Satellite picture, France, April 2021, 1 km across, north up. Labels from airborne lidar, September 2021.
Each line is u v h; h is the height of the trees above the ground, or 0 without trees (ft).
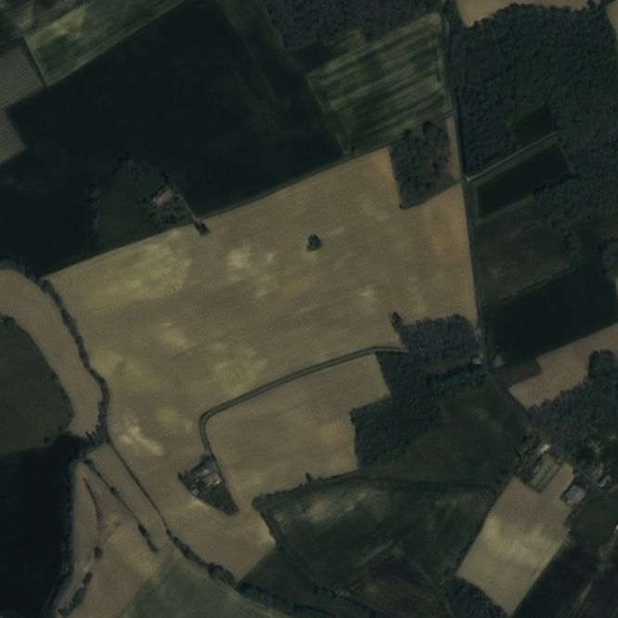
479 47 52
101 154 0
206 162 0
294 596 0
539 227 0
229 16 0
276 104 0
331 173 0
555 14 63
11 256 0
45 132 0
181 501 0
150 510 0
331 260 0
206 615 0
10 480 0
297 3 73
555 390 0
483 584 0
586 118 67
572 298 0
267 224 0
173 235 0
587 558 0
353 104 0
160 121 0
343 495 0
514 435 0
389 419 20
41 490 0
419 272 0
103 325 0
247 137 0
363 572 0
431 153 47
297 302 0
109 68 0
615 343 0
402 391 21
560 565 0
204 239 0
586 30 79
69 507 22
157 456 0
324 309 0
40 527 0
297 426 0
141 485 0
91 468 45
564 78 72
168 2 0
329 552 0
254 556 0
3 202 0
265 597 62
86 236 0
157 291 0
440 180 39
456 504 0
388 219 0
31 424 0
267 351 0
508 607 0
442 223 0
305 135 0
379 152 0
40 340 0
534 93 67
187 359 0
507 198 0
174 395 0
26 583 0
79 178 0
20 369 0
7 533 0
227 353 0
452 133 0
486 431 0
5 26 0
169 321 0
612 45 58
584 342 0
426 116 0
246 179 0
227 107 0
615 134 54
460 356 53
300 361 0
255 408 0
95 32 0
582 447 41
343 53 0
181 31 0
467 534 0
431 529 0
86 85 0
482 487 0
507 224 0
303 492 0
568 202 45
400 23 42
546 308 0
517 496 0
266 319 0
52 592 0
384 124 0
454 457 0
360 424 35
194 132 0
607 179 81
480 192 0
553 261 0
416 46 0
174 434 0
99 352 0
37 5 0
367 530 0
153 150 0
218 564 0
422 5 66
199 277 0
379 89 0
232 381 0
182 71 0
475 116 38
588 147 50
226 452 0
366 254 0
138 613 0
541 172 0
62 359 0
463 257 0
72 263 0
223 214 0
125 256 0
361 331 0
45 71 0
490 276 0
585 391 50
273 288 0
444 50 0
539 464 25
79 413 0
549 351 0
